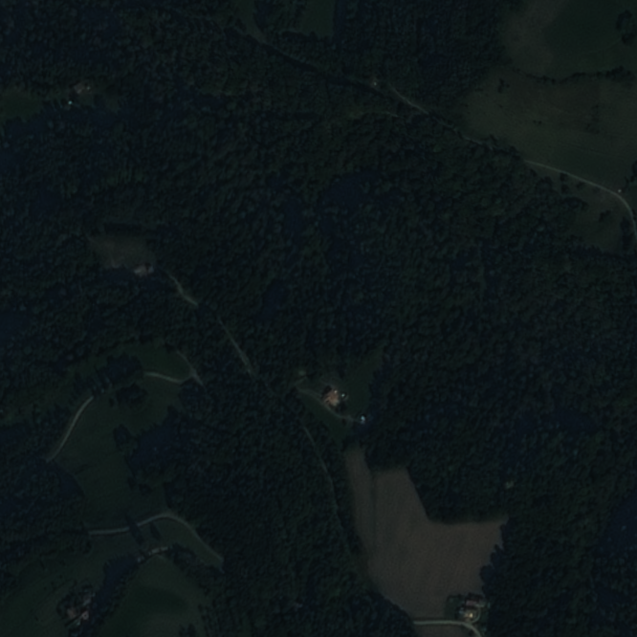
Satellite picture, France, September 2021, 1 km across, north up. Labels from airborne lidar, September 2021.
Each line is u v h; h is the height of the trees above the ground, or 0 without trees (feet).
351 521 78
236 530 85
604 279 105
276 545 87
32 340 62
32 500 104
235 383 63
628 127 0
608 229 0
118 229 19
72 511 97
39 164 105
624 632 80
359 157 91
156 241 31
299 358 74
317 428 65
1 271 99
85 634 41
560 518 71
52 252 70
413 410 114
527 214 102
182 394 0
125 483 0
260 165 108
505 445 84
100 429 0
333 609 70
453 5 104
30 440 55
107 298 76
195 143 97
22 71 92
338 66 53
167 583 0
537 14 0
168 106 93
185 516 70
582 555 128
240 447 79
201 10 113
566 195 56
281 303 64
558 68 0
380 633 78
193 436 75
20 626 0
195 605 0
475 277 102
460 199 63
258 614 75
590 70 0
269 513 94
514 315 90
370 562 0
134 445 66
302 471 72
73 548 73
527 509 99
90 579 0
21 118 0
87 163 66
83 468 0
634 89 0
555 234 94
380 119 93
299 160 99
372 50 101
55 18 50
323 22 0
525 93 0
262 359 50
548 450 108
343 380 38
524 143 0
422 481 92
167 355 25
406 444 91
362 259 36
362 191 114
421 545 0
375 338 70
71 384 0
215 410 69
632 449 69
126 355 0
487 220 106
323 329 119
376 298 110
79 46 67
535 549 32
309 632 117
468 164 104
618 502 98
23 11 41
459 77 100
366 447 66
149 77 115
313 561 56
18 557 75
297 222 81
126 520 0
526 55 0
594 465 70
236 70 88
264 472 69
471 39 86
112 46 105
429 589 0
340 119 85
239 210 82
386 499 0
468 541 0
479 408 97
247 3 0
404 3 91
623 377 93
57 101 0
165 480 76
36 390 92
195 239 72
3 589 55
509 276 102
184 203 42
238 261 73
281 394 53
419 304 75
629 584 88
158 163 79
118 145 83
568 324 75
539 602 112
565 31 0
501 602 108
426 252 73
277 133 85
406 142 84
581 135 0
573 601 103
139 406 65
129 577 41
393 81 72
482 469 102
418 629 0
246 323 72
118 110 0
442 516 93
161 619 0
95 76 100
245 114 79
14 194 77
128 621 0
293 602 94
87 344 62
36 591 0
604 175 0
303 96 102
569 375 116
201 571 80
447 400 98
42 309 100
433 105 86
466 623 0
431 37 49
